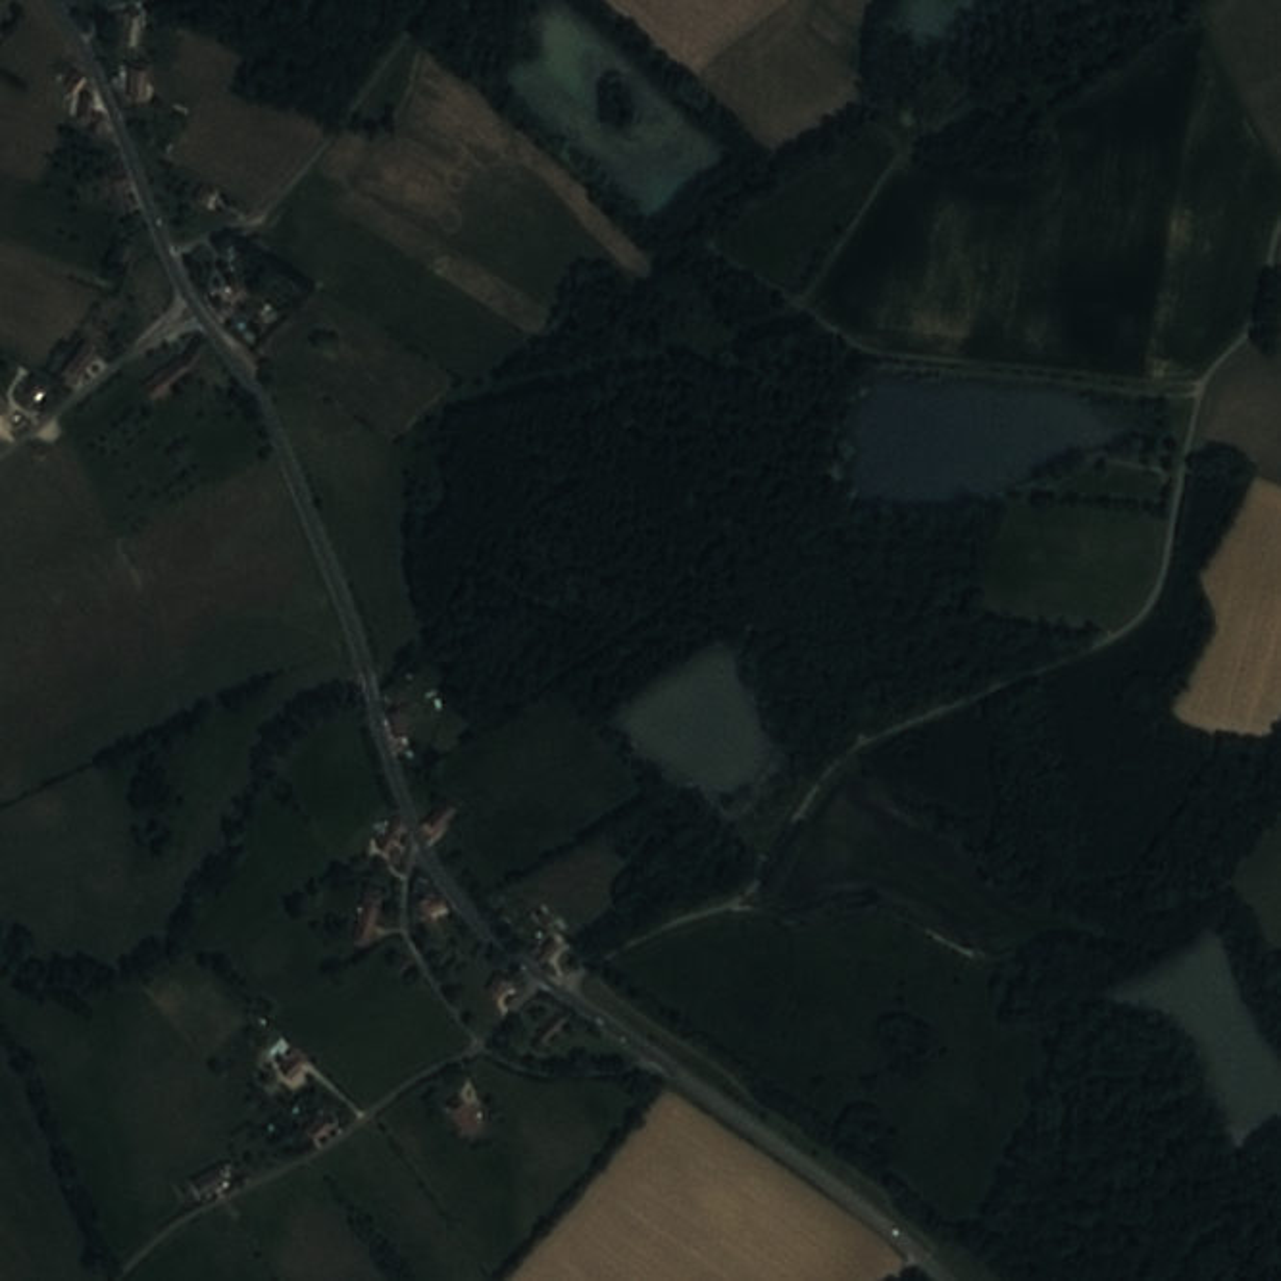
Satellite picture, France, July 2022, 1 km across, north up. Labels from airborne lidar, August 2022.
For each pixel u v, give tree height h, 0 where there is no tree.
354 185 0
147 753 11
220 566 0
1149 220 0
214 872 17
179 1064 0
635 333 24
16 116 0
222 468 0
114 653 0
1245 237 0
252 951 0
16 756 0
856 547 27
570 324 14
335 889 12
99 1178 0
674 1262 0
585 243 0
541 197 0
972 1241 22
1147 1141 15
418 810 0
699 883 21
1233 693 0
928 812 10
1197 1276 26
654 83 16
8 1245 0
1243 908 18
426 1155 0
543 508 18
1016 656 21
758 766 0
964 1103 0
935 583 27
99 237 0
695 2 0
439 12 23
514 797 0
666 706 0
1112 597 0
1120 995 0
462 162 0
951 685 16
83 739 0
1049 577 0
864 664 15
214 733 0
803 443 19
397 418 0
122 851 0
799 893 0
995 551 12
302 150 0
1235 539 0
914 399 0
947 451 0
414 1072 0
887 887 0
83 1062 0
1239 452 10
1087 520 0
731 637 22
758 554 15
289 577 0
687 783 0
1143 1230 23
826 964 0
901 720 14
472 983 0
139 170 0
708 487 17
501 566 20
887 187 0
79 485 0
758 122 0
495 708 30
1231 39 0
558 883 0
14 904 0
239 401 10
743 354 21
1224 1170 18
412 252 0
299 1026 0
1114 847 7
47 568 0
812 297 0
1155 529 0
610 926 19
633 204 8
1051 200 0
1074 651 16
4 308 0
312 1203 0
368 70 10
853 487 15
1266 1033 11
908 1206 14
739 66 0
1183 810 14
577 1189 9
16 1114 0
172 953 14
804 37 0
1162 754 5
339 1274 0
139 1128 0
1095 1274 19
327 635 0
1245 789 17
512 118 10
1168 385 0
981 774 7
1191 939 22
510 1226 0
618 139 0
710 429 19
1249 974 17
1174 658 6
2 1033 12
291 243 0
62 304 0
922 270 0
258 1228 0
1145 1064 12
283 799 16
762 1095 8
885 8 21
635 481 20
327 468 0
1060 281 0
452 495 18
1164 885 25
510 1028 13
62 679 0
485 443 20
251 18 23
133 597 0
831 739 22
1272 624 0
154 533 0
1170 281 0
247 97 14
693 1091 0
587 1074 16
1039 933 0
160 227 0
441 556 23
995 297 0
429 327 0
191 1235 0
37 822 0
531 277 0
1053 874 20
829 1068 0
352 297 0
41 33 0
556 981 0
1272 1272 22
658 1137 0
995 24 25
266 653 0
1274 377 0
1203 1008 0
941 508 14
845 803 0
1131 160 0
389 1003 0
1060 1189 18
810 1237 0
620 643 23
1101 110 0
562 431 20
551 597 22
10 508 0
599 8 15
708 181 13
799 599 21
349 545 0
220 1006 0
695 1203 0
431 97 0
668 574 20
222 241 16
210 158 0
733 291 21
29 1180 0
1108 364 0
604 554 20
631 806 10
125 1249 0
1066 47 25
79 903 0
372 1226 12
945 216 0
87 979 16
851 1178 0
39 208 0
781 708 23
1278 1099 0
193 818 0
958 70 25
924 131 0
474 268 0
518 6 23
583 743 0
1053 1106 24
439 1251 0
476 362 0
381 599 0
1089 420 0
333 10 23
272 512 0
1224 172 0
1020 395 0
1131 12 17
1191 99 0
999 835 15
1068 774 7
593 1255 0
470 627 20
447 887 0
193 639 0
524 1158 0
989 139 22
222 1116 0
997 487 0
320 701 17
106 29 18
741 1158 0
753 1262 0
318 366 0
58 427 0
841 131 16
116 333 8
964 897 0
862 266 0
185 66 0
